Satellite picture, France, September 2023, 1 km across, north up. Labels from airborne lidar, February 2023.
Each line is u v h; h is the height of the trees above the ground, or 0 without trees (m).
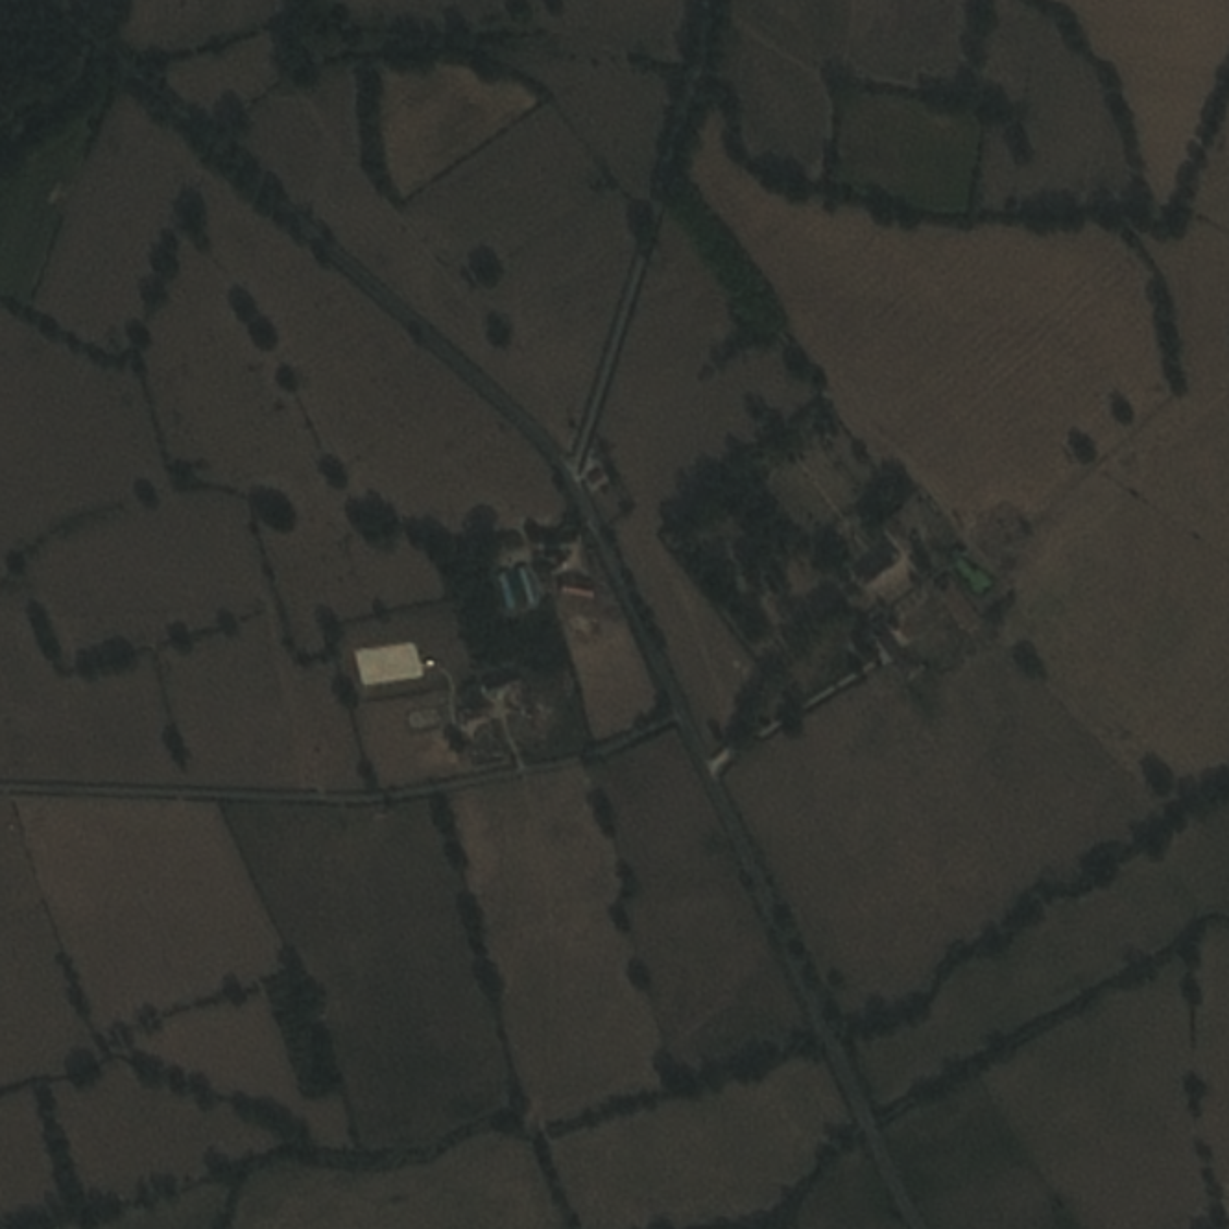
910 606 0
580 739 0
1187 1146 0
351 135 0
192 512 0
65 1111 0
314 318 0
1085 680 0
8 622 0
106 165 0
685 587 0
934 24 0
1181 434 0
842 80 20
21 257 0
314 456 0
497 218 0
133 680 0
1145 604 0
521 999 0
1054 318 0
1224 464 0
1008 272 0
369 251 0
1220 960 0
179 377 0
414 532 18
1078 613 0
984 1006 0
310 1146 12
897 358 0
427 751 0
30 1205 0
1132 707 0
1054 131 0
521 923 0
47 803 0
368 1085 0
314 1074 7
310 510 0
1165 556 0
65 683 0
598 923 0
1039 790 0
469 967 0
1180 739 0
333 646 15
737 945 0
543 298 0
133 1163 0
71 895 0
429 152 0
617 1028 0
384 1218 0
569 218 0
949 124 0
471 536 12
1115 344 0
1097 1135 0
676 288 0
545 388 0
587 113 0
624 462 0
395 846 0
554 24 0
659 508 0
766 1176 0
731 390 0
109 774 0
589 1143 0
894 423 0
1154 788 14
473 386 0
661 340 0
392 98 0
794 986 6
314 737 0
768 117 0
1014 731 0
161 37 0
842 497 0
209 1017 0
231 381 0
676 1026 0
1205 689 0
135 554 0
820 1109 0
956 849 0
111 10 20
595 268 0
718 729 11
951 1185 0
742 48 0
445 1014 0
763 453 8
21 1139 0
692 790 0
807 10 0
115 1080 0
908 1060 0
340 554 0
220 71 0
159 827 0
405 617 0
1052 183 0
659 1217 0
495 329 13
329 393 0
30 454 0
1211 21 0
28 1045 0
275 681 0
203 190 0
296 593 0
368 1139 0
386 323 0
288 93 0
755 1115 0
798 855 0
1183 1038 0
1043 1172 0
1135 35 0
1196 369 0
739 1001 0
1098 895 0
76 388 0
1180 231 10
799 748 0
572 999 0
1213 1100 0
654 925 0
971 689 0
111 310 0
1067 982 0
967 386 0
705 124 0
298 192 0
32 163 0
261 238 0
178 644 15
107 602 0
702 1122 0
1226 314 0
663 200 23
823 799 0
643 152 0
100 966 0
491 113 0
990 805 0
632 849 0
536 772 0
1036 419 0
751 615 21
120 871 0
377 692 0
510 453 0
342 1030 0
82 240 0
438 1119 0
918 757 0
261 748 0
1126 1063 0
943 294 0
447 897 0
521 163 0
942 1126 0
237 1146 0
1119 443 0
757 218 0
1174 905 0
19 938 0
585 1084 0
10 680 0
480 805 0
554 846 0
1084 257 0
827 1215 0
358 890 0
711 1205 0
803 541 17
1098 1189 0
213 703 0
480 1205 0
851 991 0
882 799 0
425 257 0
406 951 0
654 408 0
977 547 0
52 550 0
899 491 16
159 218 0
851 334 0
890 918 0
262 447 0
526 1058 0
